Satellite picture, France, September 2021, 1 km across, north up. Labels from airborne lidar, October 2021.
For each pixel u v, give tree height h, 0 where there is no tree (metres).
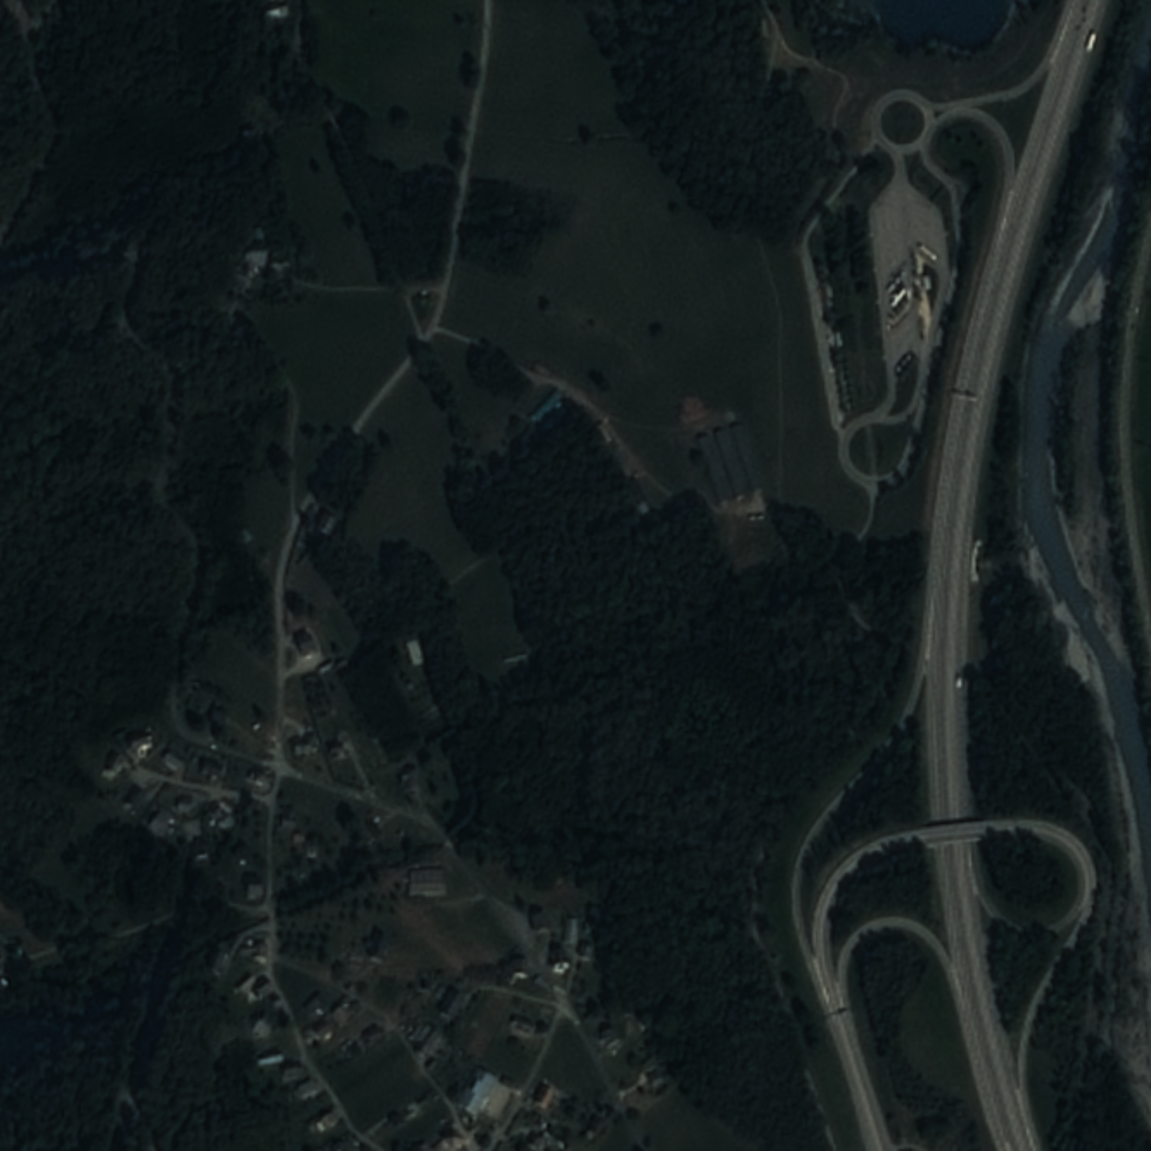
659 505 0
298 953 10
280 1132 7
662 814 18
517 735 10
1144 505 0
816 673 8
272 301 9
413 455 0
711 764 20
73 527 28
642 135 26
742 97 14
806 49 0
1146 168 19
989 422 0
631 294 0
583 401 0
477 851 23
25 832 27
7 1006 26
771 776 21
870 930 0
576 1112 6
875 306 0
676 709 23
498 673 0
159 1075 24
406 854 17
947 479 0
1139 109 17
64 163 21
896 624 18
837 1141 0
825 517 0
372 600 13
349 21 0
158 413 24
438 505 0
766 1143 15
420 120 0
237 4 11
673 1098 0
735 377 0
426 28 0
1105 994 19
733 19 20
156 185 23
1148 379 0
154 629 27
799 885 0
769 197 22
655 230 0
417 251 12
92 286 20
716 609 20
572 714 26
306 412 0
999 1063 0
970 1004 0
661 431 0
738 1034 18
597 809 21
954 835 0
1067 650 0
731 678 23
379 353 0
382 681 16
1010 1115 0
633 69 17
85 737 18
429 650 19
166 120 18
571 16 0
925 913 8
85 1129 12
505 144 0
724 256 0
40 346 10
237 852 11
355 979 0
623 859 22
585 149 13
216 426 8
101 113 21
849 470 0
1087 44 0
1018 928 0
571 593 21
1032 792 19
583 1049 0
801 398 0
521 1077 0
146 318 23
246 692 0
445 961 0
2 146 24
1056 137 0
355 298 0
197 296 28
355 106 0
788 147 20
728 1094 17
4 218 18
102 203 22
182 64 25
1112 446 16
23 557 29
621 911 27
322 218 0
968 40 0
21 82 20
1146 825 0
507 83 0
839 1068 0
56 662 23
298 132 0
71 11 28
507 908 0
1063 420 12
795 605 27
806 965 0
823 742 15
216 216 23
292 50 17
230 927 13
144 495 16
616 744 24
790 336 0
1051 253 9
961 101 0
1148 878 0
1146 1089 0
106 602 31
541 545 22
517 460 15
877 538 0
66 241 25
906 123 0
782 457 0
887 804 14
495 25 0
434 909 0
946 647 0
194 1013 18
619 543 17
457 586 0
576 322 0
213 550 7
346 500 18
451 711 20
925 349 0
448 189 14
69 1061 24
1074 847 0
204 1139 22
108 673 20
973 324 0
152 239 23
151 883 18
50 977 6
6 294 19
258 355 28
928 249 0
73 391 23
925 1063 0
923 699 0
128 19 32
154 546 24
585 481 20
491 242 18
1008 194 0
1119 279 23
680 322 0
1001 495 12
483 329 0
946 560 0
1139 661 22
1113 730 0
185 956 23
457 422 9
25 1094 28
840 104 0
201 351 34
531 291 0
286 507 0
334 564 16
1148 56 0
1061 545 0
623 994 25
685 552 24
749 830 13
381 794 0
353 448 18
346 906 11
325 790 0
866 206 0
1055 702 19
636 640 21
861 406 0
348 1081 0
